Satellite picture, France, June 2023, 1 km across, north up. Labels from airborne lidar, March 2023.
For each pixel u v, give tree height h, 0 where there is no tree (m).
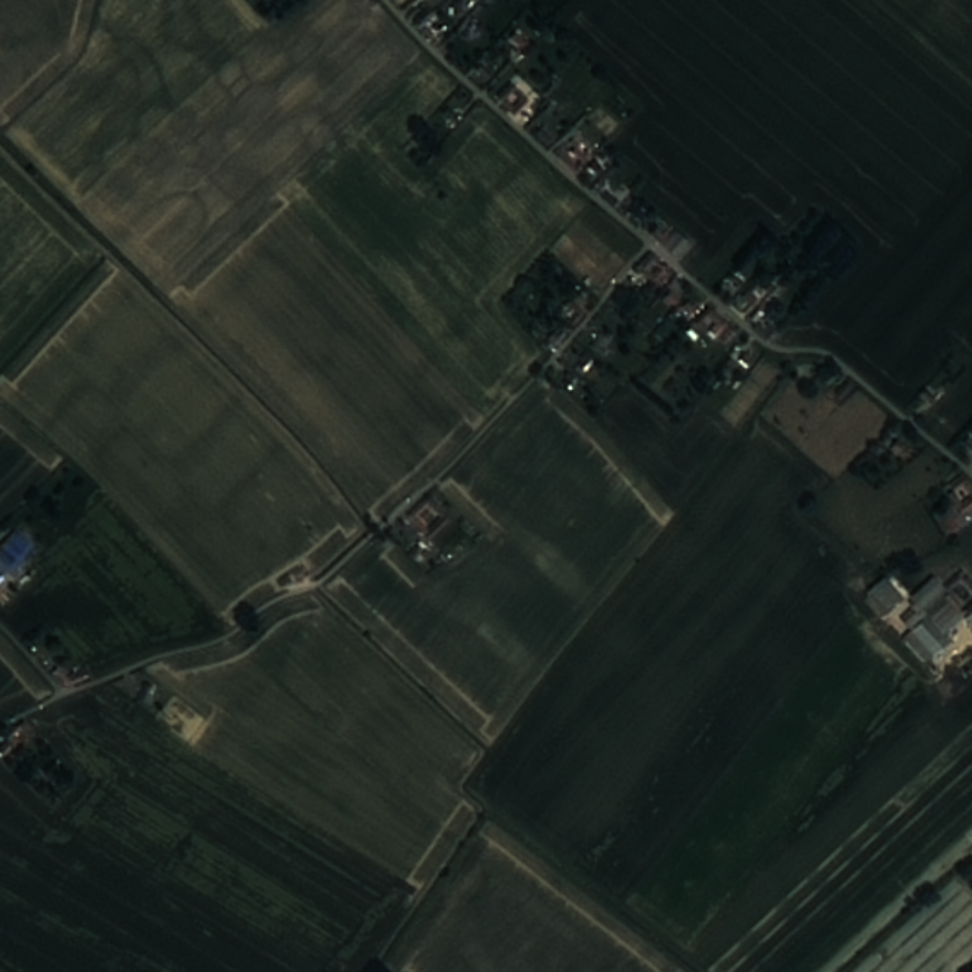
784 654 0
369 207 0
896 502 0
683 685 0
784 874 0
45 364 0
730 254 0
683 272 0
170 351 0
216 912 0
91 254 0
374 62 0
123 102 0
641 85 0
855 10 0
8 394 0
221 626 0
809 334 0
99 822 0
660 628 0
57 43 0
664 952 0
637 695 0
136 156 0
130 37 0
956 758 0
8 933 0
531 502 0
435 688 0
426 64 0
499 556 0
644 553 0
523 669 0
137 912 0
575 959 0
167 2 0
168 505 0
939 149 0
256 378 0
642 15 0
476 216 0
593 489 0
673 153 0
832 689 0
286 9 18
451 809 0
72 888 0
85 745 0
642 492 0
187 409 0
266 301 0
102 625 0
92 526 0
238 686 0
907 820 0
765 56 0
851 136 0
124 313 0
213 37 0
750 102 0
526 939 0
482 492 0
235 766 0
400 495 0
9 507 0
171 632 0
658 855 0
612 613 0
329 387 0
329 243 0
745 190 0
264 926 0
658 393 0
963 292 0
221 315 0
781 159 0
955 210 0
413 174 0
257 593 0
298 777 0
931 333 0
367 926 0
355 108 0
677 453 0
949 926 0
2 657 0
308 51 0
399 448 0
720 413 0
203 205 0
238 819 0
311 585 0
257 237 0
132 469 0
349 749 0
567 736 0
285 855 0
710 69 0
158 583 0
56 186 0
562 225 0
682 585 0
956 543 14
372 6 0
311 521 0
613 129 0
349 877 0
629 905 0
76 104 0
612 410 0
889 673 0
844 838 0
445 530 0
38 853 0
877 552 0
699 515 0
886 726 0
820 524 0
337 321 0
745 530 0
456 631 0
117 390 0
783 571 0
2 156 0
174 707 0
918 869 0
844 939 0
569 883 0
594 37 0
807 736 0
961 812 0
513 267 0
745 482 0
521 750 0
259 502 0
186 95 0
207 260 0
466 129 0
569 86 0
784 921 0
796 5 0
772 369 0
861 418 0
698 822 0
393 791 0
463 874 0
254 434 0
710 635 0
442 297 0
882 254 0
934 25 0
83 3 0
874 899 0
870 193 0
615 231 0
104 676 0
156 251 0
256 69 0
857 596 0
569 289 12
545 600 0
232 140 0
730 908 0
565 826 0
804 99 0
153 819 0
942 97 0
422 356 0
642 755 0
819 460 0
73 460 0
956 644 0
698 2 0
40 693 0
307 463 0
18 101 0
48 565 0
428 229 0
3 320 0
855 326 0
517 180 0
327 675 0
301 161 0
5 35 0
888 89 0
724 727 0
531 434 0
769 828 0
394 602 0
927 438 0
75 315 0
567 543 0
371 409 0
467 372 0
